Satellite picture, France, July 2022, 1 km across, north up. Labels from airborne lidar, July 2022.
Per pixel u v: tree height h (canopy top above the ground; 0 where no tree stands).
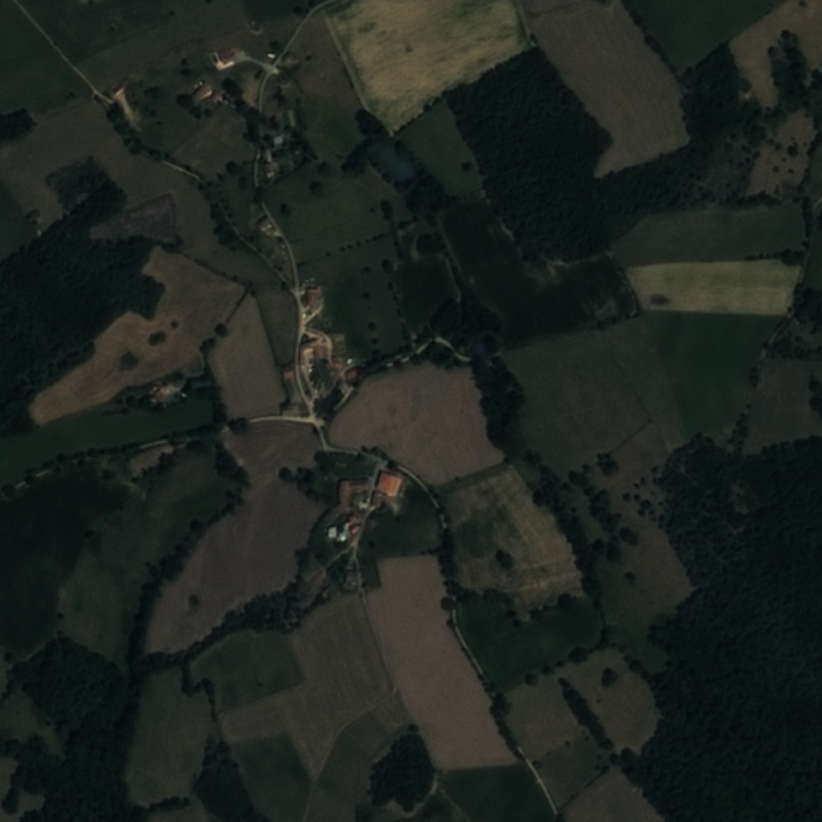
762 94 0
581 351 0
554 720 0
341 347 0
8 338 9
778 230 0
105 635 0
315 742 0
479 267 0
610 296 0
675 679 16
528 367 0
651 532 0
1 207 0
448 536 11
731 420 0
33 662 11
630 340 0
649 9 0
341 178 0
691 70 11
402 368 12
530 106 7
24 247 10
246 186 6
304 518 0
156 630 0
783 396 0
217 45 0
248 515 0
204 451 14
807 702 9
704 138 13
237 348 0
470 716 0
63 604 0
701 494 9
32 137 0
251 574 0
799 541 12
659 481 8
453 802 0
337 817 0
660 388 0
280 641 0
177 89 0
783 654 9
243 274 0
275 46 16
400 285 0
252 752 0
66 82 0
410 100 0
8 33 0
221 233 16
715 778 12
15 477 0
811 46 0
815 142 8
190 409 0
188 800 8
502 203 16
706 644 10
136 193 0
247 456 0
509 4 0
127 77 0
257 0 0
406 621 0
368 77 0
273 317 0
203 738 0
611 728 0
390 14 0
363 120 22
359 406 0
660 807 13
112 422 0
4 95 0
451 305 18
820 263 0
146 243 19
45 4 0
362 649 0
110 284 17
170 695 0
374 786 9
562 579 0
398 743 6
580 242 12
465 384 0
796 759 17
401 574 0
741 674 12
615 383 0
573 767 0
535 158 9
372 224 0
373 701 0
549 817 0
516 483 0
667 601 0
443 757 0
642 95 0
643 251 0
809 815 24
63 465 16
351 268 0
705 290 0
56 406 0
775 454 20
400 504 0
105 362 0
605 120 0
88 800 19
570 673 0
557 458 0
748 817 16
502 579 0
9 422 8
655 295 0
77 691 20
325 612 0
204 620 0
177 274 0
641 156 0
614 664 0
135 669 24
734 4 0
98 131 0
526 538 0
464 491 0
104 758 26
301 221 0
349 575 0
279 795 0
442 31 0
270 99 0
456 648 0
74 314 13
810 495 13
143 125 0
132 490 0
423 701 0
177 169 0
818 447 24
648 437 0
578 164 13
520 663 0
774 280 0
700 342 0
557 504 21
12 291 14
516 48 0
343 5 0
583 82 0
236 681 0
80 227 15
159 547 0
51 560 0
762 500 7
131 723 17
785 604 14
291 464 0
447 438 0
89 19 0
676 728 18
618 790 0
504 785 0
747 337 0
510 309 0
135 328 0
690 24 0
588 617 0
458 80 0
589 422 0
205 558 0
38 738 11
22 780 11
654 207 14
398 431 0
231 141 0
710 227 0
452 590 10
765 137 10
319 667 0
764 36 0
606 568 0
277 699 0
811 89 6
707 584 11
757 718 14
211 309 0
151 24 0
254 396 0
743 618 8
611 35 0
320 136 0
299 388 0
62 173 0
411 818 0
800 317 11
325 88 0
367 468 0
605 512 20
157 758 0
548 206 15
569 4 0
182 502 0
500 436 20
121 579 0
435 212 18
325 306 0
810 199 7
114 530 0
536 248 8
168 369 0
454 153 0
